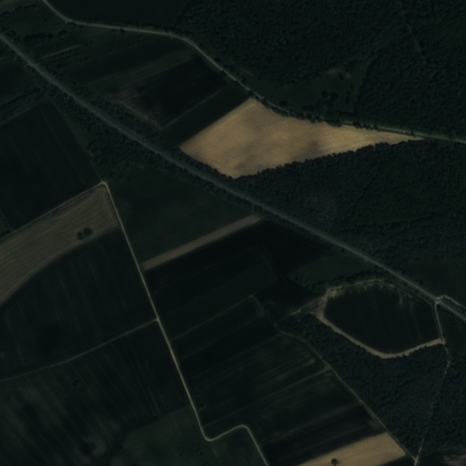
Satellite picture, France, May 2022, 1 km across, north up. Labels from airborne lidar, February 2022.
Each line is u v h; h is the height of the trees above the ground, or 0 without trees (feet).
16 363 0
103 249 0
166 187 0
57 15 0
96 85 0
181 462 0
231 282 0
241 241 0
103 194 0
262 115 0
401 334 0
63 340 0
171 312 0
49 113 0
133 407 0
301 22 93
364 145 0
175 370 0
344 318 0
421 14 67
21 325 0
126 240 0
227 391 0
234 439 0
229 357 0
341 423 0
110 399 0
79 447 0
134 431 0
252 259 0
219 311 0
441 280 0
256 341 0
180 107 0
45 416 0
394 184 39
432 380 84
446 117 75
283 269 0
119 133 65
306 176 67
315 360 0
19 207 0
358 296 0
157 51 0
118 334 0
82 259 0
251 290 0
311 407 0
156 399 0
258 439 0
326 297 0
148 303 0
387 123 61
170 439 0
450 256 50
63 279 0
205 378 0
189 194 0
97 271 0
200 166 52
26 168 0
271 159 0
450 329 0
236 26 100
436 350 62
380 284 0
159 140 48
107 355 0
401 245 57
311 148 0
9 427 0
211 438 0
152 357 0
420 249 63
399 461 0
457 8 73
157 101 0
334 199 64
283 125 0
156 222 0
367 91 72
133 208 0
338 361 49
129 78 0
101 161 36
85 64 0
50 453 0
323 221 65
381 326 0
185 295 0
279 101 0
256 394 0
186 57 0
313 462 0
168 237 0
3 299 0
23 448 0
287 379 0
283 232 0
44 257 0
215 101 0
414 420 68
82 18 0
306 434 0
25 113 0
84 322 0
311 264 0
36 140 0
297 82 67
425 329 0
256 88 0
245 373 0
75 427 0
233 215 0
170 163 27
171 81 0
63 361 0
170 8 0
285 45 93
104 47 0
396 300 0
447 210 19
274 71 81
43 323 0
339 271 0
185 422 0
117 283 0
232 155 0
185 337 0
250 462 0
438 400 71
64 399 0
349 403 0
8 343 0
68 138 0
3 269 0
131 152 60
